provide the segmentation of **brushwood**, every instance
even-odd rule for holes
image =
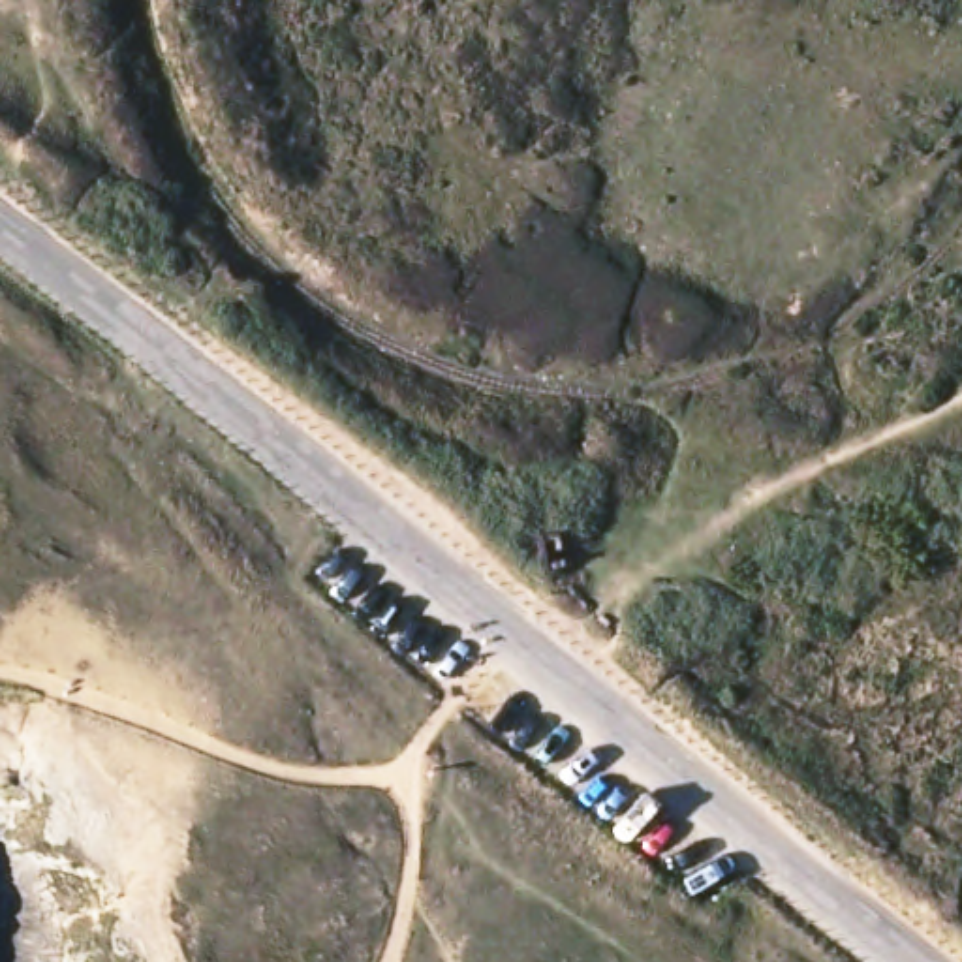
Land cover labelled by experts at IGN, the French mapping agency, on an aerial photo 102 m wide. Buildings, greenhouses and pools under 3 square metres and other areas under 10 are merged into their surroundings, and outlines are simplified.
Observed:
[[[192,26],[207,26],[222,45],[229,45],[237,71],[252,79],[252,120],[259,120],[263,128],[263,147],[256,162],[274,169],[286,184],[323,180],[327,139],[316,116],[316,83],[301,68],[293,41],[271,19],[282,0],[195,0],[188,11]]]
[[[887,673],[887,669],[879,669],[879,673],[876,673],[872,688],[876,688],[876,691],[883,691],[906,691],[906,688],[913,688],[913,684],[917,684],[917,676],[913,676],[913,661],[909,661],[909,658],[902,658],[898,673]]]
[[[864,278],[857,286],[849,278],[830,278],[815,297],[804,301],[800,316],[759,308],[755,349],[722,353],[725,368],[733,368],[759,391],[755,421],[767,432],[804,440],[815,455],[842,440],[883,428],[898,417],[928,413],[962,387],[962,64],[947,83],[932,75],[913,75],[902,86],[902,94],[894,94],[872,113],[891,143],[883,165],[872,177],[876,188],[909,180],[917,154],[928,154],[939,169],[932,192],[921,199],[921,207],[913,207],[909,233],[898,237],[879,225],[864,252]]]
[[[338,323],[338,312],[316,304],[304,293],[304,286],[301,274],[278,271],[263,256],[252,256],[229,229],[229,214],[225,203],[214,195],[214,180],[203,173],[199,143],[188,139],[180,124],[180,105],[173,98],[165,64],[154,45],[147,0],[60,0],[64,38],[71,45],[83,45],[94,56],[113,53],[120,94],[116,120],[139,143],[143,188],[132,192],[98,180],[86,195],[68,180],[64,218],[75,222],[86,237],[105,241],[116,263],[132,263],[143,274],[169,278],[177,271],[188,282],[195,304],[222,323],[222,338],[256,357],[274,380],[289,383],[301,398],[327,410],[361,443],[376,447],[395,466],[425,481],[507,564],[522,571],[537,560],[541,537],[564,534],[564,560],[579,571],[590,564],[605,556],[605,537],[616,522],[628,534],[643,534],[646,511],[658,504],[669,481],[676,432],[661,425],[650,410],[628,406],[631,398],[643,398],[643,387],[628,387],[624,398],[597,402],[473,391],[417,368],[413,361],[380,353],[365,338],[353,338]]]
[[[699,906],[699,898],[684,883],[669,891],[661,879],[654,879],[654,891],[639,902],[639,913],[673,924],[676,958],[710,954],[714,962],[733,962],[752,917],[748,906],[755,898],[755,891],[729,883]]]

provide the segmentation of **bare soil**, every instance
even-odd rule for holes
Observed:
[[[0,680],[0,962],[143,962],[135,943],[116,932],[116,913],[109,909],[109,902],[90,887],[90,879],[83,879],[83,864],[90,872],[105,872],[105,864],[116,864],[120,842],[147,838],[158,827],[158,815],[135,797],[128,782],[116,782],[105,770],[101,755],[90,744],[90,733],[98,729],[94,722],[45,706],[45,688],[38,684]]]
[[[60,316],[56,304],[49,304],[34,286],[19,282],[0,267],[0,661],[19,661],[30,669],[68,676],[71,691],[98,688],[124,699],[139,699],[143,706],[154,706],[162,699],[165,714],[188,718],[192,725],[203,725],[237,748],[252,748],[286,763],[383,767],[398,759],[398,752],[413,740],[413,733],[440,706],[440,699],[425,695],[380,646],[372,646],[357,631],[353,620],[334,613],[304,582],[308,560],[327,549],[327,534],[334,526],[323,515],[316,515],[286,481],[278,481],[252,451],[233,443],[192,406],[184,406],[143,365],[124,357],[109,338],[86,331],[79,319]]]
[[[590,853],[605,868],[616,868],[631,879],[646,879],[650,872],[650,864],[631,857],[631,842],[616,838],[616,830],[594,830]]]
[[[207,755],[195,785],[188,868],[177,876],[177,891],[169,898],[173,936],[180,943],[184,962],[380,962],[395,924],[406,864],[406,823],[395,797],[376,785],[319,785],[274,778],[229,763],[222,755]]]
[[[500,800],[507,797],[507,785],[515,778],[504,778],[496,767],[481,759],[458,759],[455,770],[462,770],[477,789]]]
[[[921,567],[924,579],[943,579],[954,567],[954,549],[928,541],[913,522],[906,522],[906,560]]]
[[[879,673],[879,669],[887,669],[887,673],[898,673],[902,658],[909,658],[909,661],[913,661],[913,676],[917,676],[917,684],[913,684],[913,688],[913,699],[924,699],[932,691],[962,691],[962,646],[943,643],[932,631],[932,624],[917,613],[917,605],[868,620],[849,639],[834,676],[823,676],[815,688],[827,695],[838,691],[849,706],[876,706],[883,703],[883,691],[876,691],[876,688],[872,688],[876,673]]]
[[[26,26],[0,11],[0,124],[11,135],[23,135],[30,128],[38,109],[38,83]]]
[[[94,56],[83,45],[75,56],[75,75],[98,101],[98,124],[90,132],[83,128],[79,135],[45,128],[34,143],[34,150],[45,150],[68,165],[68,180],[86,195],[98,180],[132,192],[143,188],[139,143],[116,120],[120,94],[113,53]]]

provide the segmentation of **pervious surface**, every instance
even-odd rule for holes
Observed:
[[[590,564],[579,571],[564,560],[564,534],[541,537],[537,560],[545,564],[549,594],[560,601],[564,613],[582,616],[590,635],[624,639],[616,665],[643,688],[643,695],[673,703],[680,718],[695,718],[688,691],[661,673],[661,661],[643,643],[631,639],[628,601],[658,575],[684,571],[684,560],[710,549],[725,530],[733,530],[767,500],[797,485],[812,485],[830,466],[853,462],[868,451],[917,436],[962,413],[962,387],[928,413],[898,417],[883,428],[842,440],[815,455],[778,477],[752,481],[744,492],[729,500],[729,507],[714,511],[691,534],[665,545],[654,560],[639,560],[631,571],[613,571],[609,579],[594,582]]]
[[[898,921],[906,921],[913,932],[936,943],[951,962],[962,962],[962,928],[954,921],[943,921],[928,898],[913,894],[894,864],[872,857],[872,846],[857,830],[849,830],[830,808],[823,808],[797,778],[785,778],[782,770],[767,767],[733,733],[714,733],[703,718],[695,718],[703,737],[737,770],[744,770],[755,782],[755,789],[767,793],[808,842],[842,861],[846,876],[861,891],[879,898]]]
[[[75,75],[75,56],[83,45],[71,45],[64,38],[60,0],[0,0],[0,11],[26,26],[38,83],[38,109],[30,128],[23,135],[11,135],[0,124],[0,184],[8,188],[26,180],[41,214],[68,241],[75,241],[75,252],[83,259],[109,267],[120,286],[139,293],[143,274],[132,263],[116,263],[105,241],[86,237],[75,222],[64,218],[68,180],[68,165],[45,150],[34,150],[34,143],[45,128],[79,135],[83,128],[90,132],[98,124],[98,101]]]
[[[278,271],[301,274],[304,286],[323,289],[334,267],[301,241],[297,229],[282,229],[274,214],[259,207],[256,192],[241,192],[237,214],[229,214],[229,229],[252,256],[263,256]]]
[[[30,669],[19,661],[0,661],[0,680],[38,684],[45,688],[45,706],[94,722],[98,729],[90,733],[90,744],[101,755],[105,770],[116,782],[128,782],[135,797],[158,815],[158,827],[147,838],[120,842],[116,864],[105,864],[105,872],[90,872],[83,864],[83,879],[90,879],[90,887],[109,902],[109,909],[116,913],[116,932],[135,943],[143,962],[184,962],[180,943],[173,936],[169,898],[177,891],[177,876],[188,868],[195,785],[207,755],[222,755],[229,763],[274,778],[319,785],[376,785],[395,797],[406,823],[406,864],[395,924],[380,962],[402,962],[413,924],[428,928],[440,962],[462,962],[466,939],[455,939],[451,924],[421,898],[421,819],[425,793],[436,778],[428,748],[413,740],[398,752],[398,759],[383,767],[286,763],[252,748],[237,748],[203,725],[192,725],[188,718],[165,714],[162,699],[154,706],[143,706],[139,699],[124,699],[98,688],[71,691],[68,676]]]

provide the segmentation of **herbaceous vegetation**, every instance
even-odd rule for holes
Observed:
[[[909,233],[913,207],[921,207],[921,199],[932,192],[939,169],[928,154],[917,154],[909,180],[876,188],[872,177],[883,165],[891,143],[872,113],[894,94],[902,94],[902,86],[913,75],[932,75],[947,83],[962,64],[962,0],[282,0],[271,19],[293,41],[301,68],[316,83],[316,116],[327,139],[323,180],[286,184],[274,169],[256,162],[263,147],[263,128],[259,120],[252,120],[252,79],[237,71],[229,45],[222,45],[207,26],[192,26],[188,11],[195,0],[147,0],[154,45],[165,64],[173,98],[180,105],[180,124],[188,139],[199,143],[203,173],[214,180],[214,195],[225,203],[229,214],[237,214],[241,192],[256,192],[259,207],[274,214],[282,229],[297,229],[301,241],[334,267],[323,289],[304,286],[304,293],[316,304],[338,312],[338,323],[353,338],[365,338],[380,353],[413,361],[417,368],[473,391],[597,402],[624,398],[628,387],[643,387],[643,398],[631,398],[628,406],[650,410],[661,425],[676,432],[669,481],[658,504],[646,511],[643,534],[628,534],[616,522],[605,537],[605,556],[590,564],[594,582],[609,579],[613,571],[631,571],[639,560],[654,560],[665,545],[691,534],[714,511],[729,507],[729,500],[744,492],[752,481],[778,477],[815,455],[804,440],[767,432],[755,421],[759,391],[733,368],[725,368],[722,353],[755,349],[759,308],[800,316],[804,301],[815,297],[830,278],[849,278],[857,286],[864,278],[864,252],[879,225],[898,237]]]
[[[428,928],[413,924],[402,962],[440,962]]]
[[[943,579],[924,579],[921,567],[906,560],[906,522],[913,522],[928,541],[954,549],[954,567]],[[714,733],[733,733],[767,767],[782,770],[785,778],[797,778],[823,808],[830,808],[849,830],[857,830],[872,846],[872,857],[894,864],[913,894],[928,898],[943,921],[954,921],[962,928],[962,691],[932,691],[924,699],[913,699],[913,688],[906,688],[906,691],[883,691],[883,703],[876,706],[849,706],[838,691],[827,695],[815,688],[823,676],[834,676],[849,639],[868,620],[917,605],[917,613],[932,624],[932,631],[943,643],[962,646],[962,413],[917,436],[868,451],[853,462],[830,466],[812,485],[797,485],[767,500],[733,530],[725,530],[710,549],[684,560],[684,571],[658,575],[628,601],[631,639],[643,643],[661,661],[661,673],[688,691],[695,718],[703,718]]]
[[[639,902],[654,891],[654,879],[650,872],[646,879],[631,879],[616,868],[605,868],[590,853],[594,830],[594,823],[575,815],[571,804],[549,793],[541,782],[534,782],[522,763],[504,755],[496,744],[481,740],[462,718],[447,722],[428,748],[436,778],[425,793],[421,819],[421,898],[451,924],[455,939],[466,939],[462,962],[714,962],[710,954],[676,958],[673,924],[639,913]],[[515,778],[507,785],[507,797],[500,800],[477,789],[462,770],[455,770],[458,759],[481,759],[496,767],[504,778]]]
[[[733,962],[838,962],[808,936],[800,936],[789,921],[782,921],[767,902],[755,898],[748,906],[752,917]]]

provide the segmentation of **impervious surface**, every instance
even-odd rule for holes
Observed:
[[[301,398],[289,383],[274,380],[256,357],[222,338],[222,323],[195,304],[188,282],[177,271],[169,278],[143,274],[139,293],[120,286],[109,267],[83,259],[75,252],[75,241],[68,241],[41,214],[26,180],[8,188],[0,184],[0,267],[19,282],[34,286],[49,304],[56,304],[60,316],[79,319],[86,331],[109,338],[124,357],[143,365],[184,406],[192,406],[233,443],[252,451],[278,481],[286,481],[316,515],[323,515],[334,526],[327,534],[327,549],[308,560],[304,582],[334,613],[353,620],[357,631],[372,646],[380,646],[425,695],[440,699],[440,706],[413,733],[413,740],[428,748],[447,722],[462,718],[481,740],[496,744],[504,755],[522,763],[534,782],[541,782],[549,793],[571,804],[575,815],[594,823],[594,830],[616,830],[616,838],[631,842],[631,857],[650,864],[650,872],[654,879],[661,879],[669,891],[684,883],[699,898],[699,906],[729,883],[755,891],[755,898],[767,902],[782,921],[789,921],[800,936],[808,936],[838,962],[951,962],[936,943],[913,932],[906,921],[898,921],[879,898],[861,891],[846,876],[842,861],[808,842],[767,793],[755,789],[755,782],[744,770],[737,770],[703,737],[695,718],[680,718],[673,703],[643,695],[643,688],[616,665],[624,639],[590,635],[582,616],[564,613],[560,601],[549,594],[545,564],[537,560],[522,571],[507,564],[425,481],[395,466],[376,447],[361,443],[327,410]]]

